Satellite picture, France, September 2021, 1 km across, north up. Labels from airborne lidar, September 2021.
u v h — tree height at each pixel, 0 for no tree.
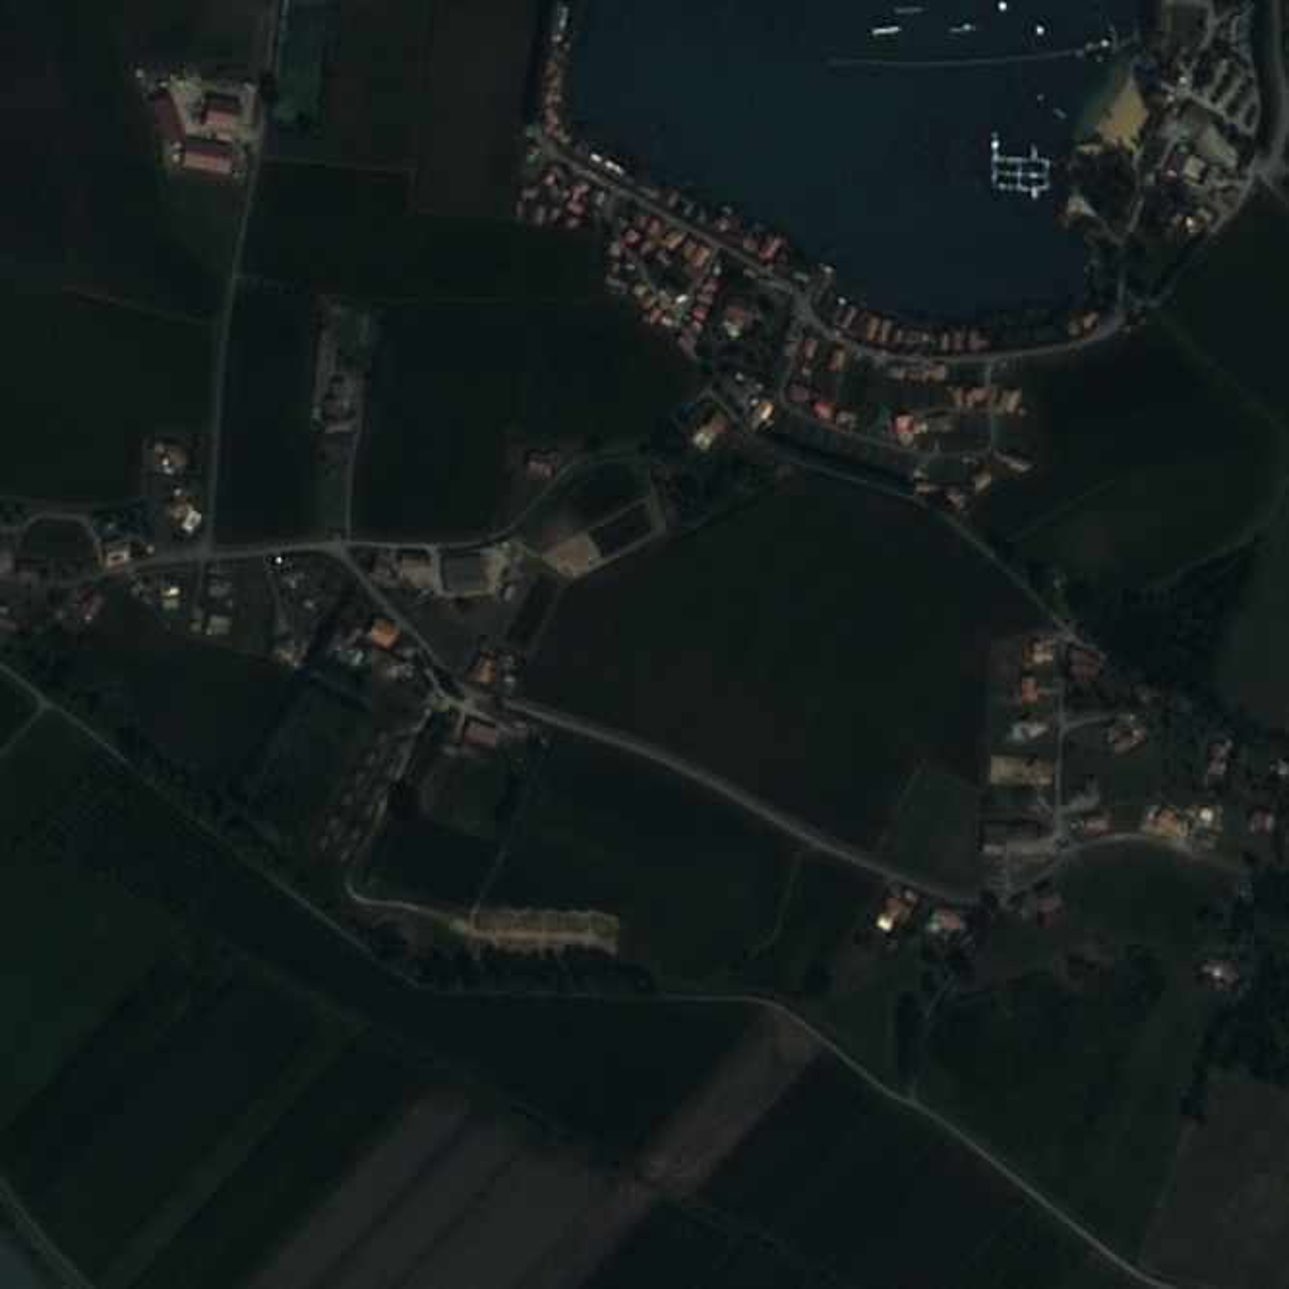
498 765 0
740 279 8
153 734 0
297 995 0
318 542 0
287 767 18
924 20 0
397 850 0
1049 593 22
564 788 0
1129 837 0
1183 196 13
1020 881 0
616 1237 0
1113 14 0
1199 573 9
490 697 0
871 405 0
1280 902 18
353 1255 0
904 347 8
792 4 0
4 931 0
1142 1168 0
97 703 12
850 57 0
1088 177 8
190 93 0
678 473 0
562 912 0
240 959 0
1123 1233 0
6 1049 0
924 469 0
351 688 23
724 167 0
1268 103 11
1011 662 0
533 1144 0
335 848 0
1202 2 0
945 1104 0
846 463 9
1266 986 17
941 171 0
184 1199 0
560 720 0
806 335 6
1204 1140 0
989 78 0
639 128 0
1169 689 10
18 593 0
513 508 0
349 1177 0
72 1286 0
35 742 0
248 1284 0
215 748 0
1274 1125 0
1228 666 0
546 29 12
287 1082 0
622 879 0
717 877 0
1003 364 0
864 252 0
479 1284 0
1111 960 0
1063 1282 0
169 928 0
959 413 0
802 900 0
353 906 0
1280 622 0
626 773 0
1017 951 0
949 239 0
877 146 0
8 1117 0
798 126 0
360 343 0
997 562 20
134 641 0
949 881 0
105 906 0
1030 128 0
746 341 12
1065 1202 0
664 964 0
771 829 0
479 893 0
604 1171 0
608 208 0
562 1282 0
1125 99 0
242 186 0
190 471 6
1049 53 0
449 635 0
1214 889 0
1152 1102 0
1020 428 0
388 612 0
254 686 0
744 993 0
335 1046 0
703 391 0
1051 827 0
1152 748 0
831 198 0
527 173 0
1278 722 0
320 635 10
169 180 0
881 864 0
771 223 0
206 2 0
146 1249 0
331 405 0
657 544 0
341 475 0
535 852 0
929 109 0
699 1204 0
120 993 0
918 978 0
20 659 5
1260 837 0
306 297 7
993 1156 0
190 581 0
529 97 12
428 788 0
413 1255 0
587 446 7
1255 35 12
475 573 0
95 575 0
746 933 0
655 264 10
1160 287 7
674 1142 0
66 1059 0
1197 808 0
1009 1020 0
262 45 0
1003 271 0
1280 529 0
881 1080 0
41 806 0
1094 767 0
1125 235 0
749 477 9
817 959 0
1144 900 0
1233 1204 0
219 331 0
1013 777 0
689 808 0
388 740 0
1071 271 0
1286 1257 0
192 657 0
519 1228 0
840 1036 0
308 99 0
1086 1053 0
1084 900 0
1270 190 0
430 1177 0
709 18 0
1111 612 8
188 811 14
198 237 0
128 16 0
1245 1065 10
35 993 0
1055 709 0
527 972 20
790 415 0
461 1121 0
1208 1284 0
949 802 0
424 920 0
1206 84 8
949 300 0
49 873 0
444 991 20
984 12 0
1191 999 0
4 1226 9
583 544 0
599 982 30
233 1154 0
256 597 0
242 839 24
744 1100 0
